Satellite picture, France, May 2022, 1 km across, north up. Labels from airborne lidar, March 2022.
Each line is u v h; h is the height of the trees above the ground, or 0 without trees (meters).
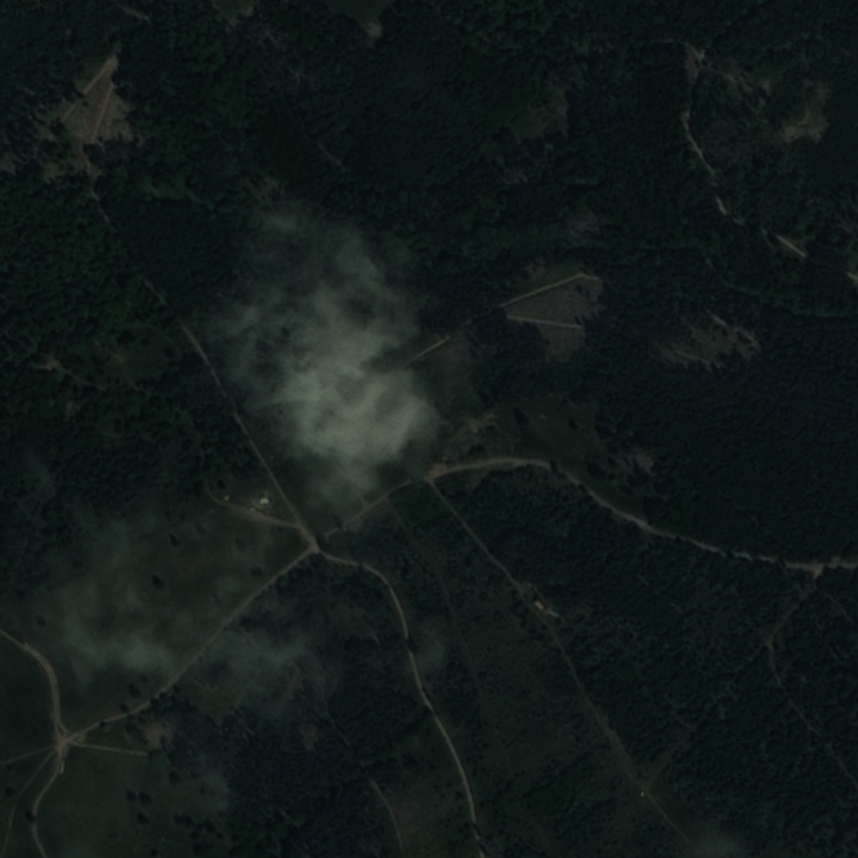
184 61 28
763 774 8
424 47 16
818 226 13
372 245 25
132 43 20
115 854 0
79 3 16
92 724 0
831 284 26
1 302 16
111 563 0
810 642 10
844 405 24
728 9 20
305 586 23
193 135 20
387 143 18
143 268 20
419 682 0
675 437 16
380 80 19
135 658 0
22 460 13
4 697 0
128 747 0
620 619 5
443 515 8
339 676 23
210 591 0
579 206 22
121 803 0
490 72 19
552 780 7
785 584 9
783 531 17
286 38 19
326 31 34
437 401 0
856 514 14
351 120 16
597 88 27
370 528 8
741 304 25
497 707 0
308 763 23
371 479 0
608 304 20
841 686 17
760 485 16
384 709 24
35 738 0
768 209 27
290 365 25
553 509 7
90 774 0
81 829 0
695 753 7
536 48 20
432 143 16
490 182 24
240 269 35
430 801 0
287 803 27
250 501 0
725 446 20
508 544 19
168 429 12
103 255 26
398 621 0
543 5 28
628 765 0
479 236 20
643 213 22
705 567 7
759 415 21
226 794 22
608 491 0
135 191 20
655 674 12
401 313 24
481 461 0
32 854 0
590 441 0
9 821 0
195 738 21
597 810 8
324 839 25
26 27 7
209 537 0
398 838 0
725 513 16
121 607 0
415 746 0
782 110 7
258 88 22
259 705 29
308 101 33
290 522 0
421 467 0
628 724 9
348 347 26
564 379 6
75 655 0
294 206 19
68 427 7
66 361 15
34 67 15
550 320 0
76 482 13
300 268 28
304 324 32
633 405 20
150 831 0
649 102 19
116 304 26
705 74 27
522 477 5
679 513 10
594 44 24
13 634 0
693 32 22
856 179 8
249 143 20
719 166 36
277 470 0
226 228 30
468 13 24
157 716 23
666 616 11
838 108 8
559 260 27
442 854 0
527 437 0
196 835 9
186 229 20
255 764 31
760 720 10
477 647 0
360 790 24
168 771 0
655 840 9
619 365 21
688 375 24
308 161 18
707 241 28
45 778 0
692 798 7
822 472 18
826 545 16
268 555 0
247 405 25
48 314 25
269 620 22
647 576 11
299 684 0
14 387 10
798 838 7
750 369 25
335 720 20
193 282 18
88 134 0
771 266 14
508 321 26
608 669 9
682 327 29
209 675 22
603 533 25
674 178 21
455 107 18
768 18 23
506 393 21
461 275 26
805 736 12
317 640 28
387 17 14
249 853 13
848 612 9
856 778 11
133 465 9
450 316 26
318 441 0
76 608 0
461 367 0
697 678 11
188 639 0
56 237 25
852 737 8
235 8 0
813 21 10
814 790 12
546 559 27
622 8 17
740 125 35
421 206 26
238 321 21
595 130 25
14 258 26
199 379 25
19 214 25
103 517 9
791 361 24
